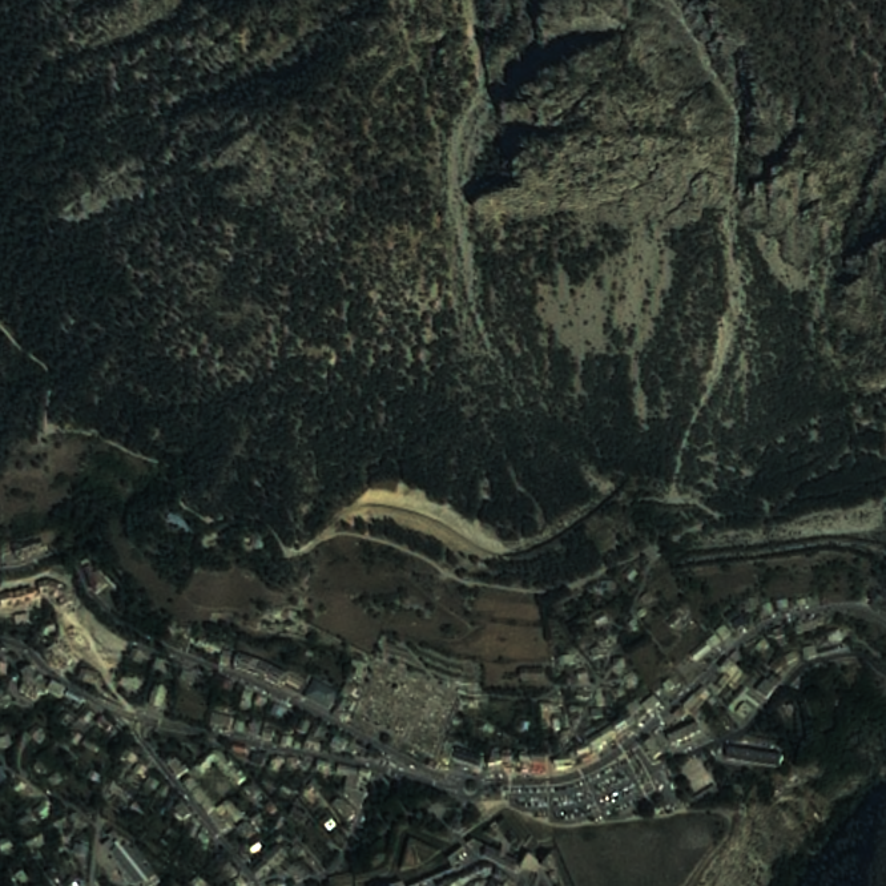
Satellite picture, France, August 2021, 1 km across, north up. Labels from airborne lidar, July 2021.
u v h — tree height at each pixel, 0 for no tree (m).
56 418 6
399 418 10
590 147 11
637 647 14
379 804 14
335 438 9
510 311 8
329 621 0
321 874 0
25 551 0
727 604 11
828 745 15
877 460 17
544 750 8
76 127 9
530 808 0
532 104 10
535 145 7
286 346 7
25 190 17
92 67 8
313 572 8
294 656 9
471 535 0
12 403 14
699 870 0
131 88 7
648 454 10
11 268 9
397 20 11
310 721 12
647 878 0
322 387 11
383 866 0
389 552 7
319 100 14
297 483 7
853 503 17
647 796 0
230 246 11
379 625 0
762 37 9
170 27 6
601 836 0
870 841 15
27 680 0
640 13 6
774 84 10
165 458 13
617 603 7
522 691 6
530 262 13
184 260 8
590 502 17
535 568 10
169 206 12
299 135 0
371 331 9
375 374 10
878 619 0
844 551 10
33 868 7
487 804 0
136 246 9
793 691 10
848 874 12
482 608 0
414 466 13
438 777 0
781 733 14
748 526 16
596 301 0
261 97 11
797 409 7
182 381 10
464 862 0
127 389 12
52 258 13
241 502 16
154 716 0
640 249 0
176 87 16
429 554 14
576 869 0
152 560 9
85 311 10
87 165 11
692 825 0
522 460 12
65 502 8
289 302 13
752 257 7
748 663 6
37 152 8
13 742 7
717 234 8
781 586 0
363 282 10
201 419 12
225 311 10
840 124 6
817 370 10
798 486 12
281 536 9
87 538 14
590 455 9
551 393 8
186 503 8
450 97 9
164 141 6
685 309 8
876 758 6
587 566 18
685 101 18
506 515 17
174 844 6
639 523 12
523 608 0
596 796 0
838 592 9
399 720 0
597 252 12
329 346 11
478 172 13
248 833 0
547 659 0
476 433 6
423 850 0
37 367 15
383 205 11
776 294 7
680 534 7
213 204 9
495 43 13
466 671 0
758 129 8
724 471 15
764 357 6
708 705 7
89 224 9
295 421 7
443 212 6
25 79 11
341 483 8
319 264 7
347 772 0
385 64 9
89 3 6
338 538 0
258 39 13
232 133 6
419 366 8
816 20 14
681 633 0
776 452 12
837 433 9
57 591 0
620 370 10
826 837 8
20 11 13
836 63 9
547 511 18
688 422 9
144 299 5
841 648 0
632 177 11
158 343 12
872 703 13
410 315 9
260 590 0
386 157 13
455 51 8
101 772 17
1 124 12
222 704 8
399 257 7
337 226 8
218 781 0
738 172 8
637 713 0
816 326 9
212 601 0
